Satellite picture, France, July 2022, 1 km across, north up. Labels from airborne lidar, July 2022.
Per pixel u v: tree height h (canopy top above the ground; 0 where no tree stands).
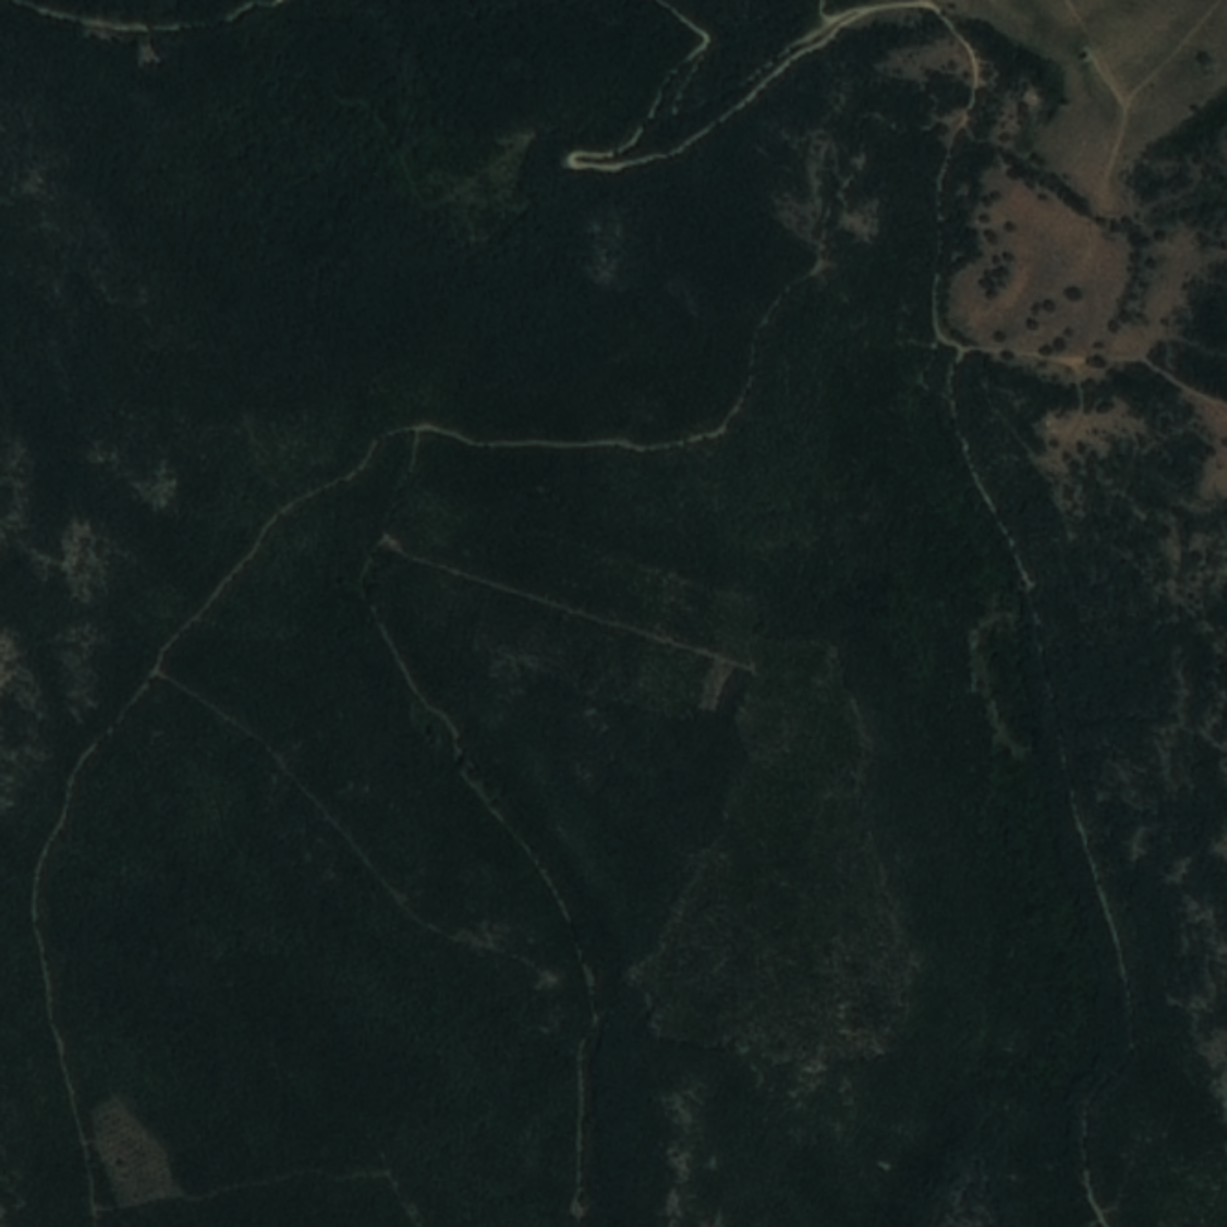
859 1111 6
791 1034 0
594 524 6
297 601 7
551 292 6
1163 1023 7
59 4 10
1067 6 0
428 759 6
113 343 5
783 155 5
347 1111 6
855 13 0
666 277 6
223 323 6
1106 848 6
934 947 7
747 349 6
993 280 9
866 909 0
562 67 7
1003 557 5
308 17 11
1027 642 9
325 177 9
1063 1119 6
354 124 8
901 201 8
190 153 7
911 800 9
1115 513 6
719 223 5
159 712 6
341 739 6
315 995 6
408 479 6
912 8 0
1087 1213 7
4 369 6
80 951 6
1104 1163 7
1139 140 0
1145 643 7
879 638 14
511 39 12
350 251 7
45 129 6
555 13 11
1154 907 10
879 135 10
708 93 6
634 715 6
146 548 5
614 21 9
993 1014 6
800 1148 11
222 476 5
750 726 0
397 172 9
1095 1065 9
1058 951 6
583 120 9
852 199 6
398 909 6
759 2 10
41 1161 6
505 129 9
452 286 8
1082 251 0
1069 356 0
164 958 7
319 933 8
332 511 6
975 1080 7
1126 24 0
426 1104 7
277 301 7
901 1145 9
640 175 6
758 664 0
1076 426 0
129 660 6
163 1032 6
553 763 6
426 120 8
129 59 9
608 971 6
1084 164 0
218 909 7
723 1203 7
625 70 9
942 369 7
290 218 11
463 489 6
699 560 8
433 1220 7
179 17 10
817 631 8
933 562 6
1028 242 0
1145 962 8
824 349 6
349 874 6
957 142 7
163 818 6
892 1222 12
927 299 6
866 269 6
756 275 7
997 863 6
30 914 6
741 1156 11
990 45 7
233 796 6
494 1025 7
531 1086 7
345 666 8
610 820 7
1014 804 6
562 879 8
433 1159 6
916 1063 9
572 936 6
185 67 9
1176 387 6
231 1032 6
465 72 7
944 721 5
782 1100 5
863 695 6
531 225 8
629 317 7
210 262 7
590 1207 8
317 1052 6
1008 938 5
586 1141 8
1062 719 7
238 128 8
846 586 11
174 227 7
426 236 7
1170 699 6
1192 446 7
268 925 7
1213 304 8
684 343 6
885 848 6
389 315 6
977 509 11
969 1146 8
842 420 6
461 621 6
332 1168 6
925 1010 9
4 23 9
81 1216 6
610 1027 6
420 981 7
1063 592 7
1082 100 0
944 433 7
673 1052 7
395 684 10
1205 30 0
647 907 8
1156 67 0
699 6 7
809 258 7
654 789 6
